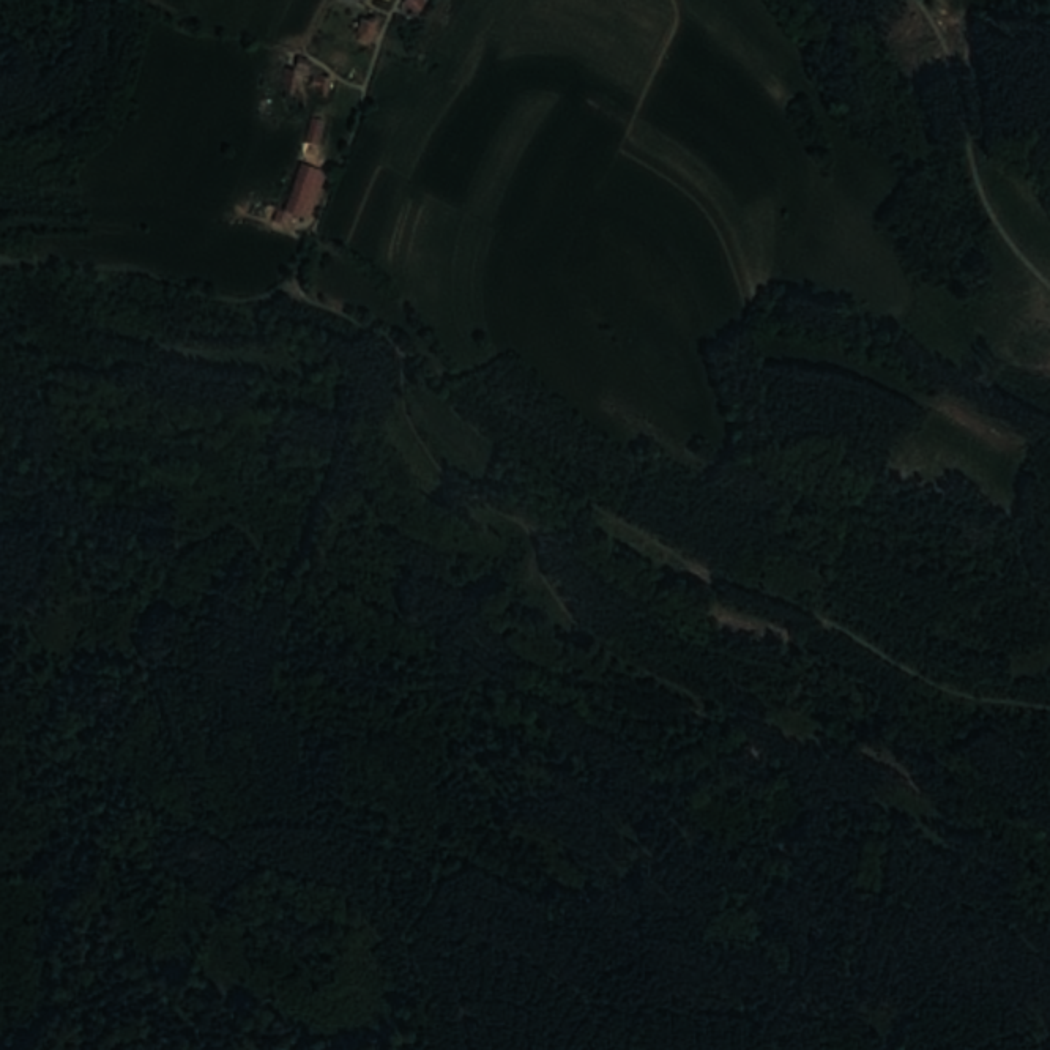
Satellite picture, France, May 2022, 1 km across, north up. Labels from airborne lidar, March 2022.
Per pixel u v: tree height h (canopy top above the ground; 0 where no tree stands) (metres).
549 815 28
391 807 13
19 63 22
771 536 12
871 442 18
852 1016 25
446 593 33
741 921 30
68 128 6
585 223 0
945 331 0
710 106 0
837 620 7
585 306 0
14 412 16
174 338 20
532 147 0
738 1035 18
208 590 15
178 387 27
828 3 35
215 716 12
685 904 27
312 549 25
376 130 0
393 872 23
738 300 0
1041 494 21
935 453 0
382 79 0
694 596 33
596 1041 19
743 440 22
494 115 0
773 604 19
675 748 21
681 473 13
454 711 15
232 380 26
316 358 28
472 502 30
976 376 32
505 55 0
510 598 19
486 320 0
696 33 0
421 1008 16
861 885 34
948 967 24
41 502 27
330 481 24
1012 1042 18
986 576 11
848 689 30
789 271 0
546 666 24
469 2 0
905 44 0
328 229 0
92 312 16
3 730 13
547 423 11
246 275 0
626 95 0
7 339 15
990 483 0
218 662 22
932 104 25
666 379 0
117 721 19
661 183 0
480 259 0
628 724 13
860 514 19
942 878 24
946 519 24
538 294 0
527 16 0
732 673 10
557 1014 18
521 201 0
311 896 25
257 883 28
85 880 29
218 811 14
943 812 31
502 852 14
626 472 10
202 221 0
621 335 0
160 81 0
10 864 17
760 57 0
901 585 17
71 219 7
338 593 27
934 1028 16
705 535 17
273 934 27
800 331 19
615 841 27
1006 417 27
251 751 15
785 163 0
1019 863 32
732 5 0
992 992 20
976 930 19
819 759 31
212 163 0
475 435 0
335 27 0
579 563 28
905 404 19
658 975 35
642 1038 20
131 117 10
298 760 15
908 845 28
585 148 0
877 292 0
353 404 31
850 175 0
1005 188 0
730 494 16
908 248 16
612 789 25
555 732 21
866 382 15
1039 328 0
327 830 18
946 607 11
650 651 10
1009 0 10
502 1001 16
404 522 32
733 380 25
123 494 22
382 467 30
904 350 23
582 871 25
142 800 12
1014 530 18
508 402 7
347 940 28
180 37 0
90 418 20
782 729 0
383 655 16
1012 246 0
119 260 0
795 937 33
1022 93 28
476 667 26
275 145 0
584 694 22
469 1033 19
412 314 18
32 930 7
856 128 6
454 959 17
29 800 21
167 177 0
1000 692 7
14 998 15
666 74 0
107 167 0
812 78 13
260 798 16
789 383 17
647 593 30
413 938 14
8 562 35
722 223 0
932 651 14
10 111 18
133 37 10
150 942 7
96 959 29
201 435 29
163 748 10
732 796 13
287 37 0
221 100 0
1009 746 27
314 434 28
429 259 0
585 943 28
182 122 0
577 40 0
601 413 0
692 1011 22
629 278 0
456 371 17
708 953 29
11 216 14
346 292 0
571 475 8
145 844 21
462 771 12
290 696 8
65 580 28
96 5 15
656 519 17
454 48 0
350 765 15
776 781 22
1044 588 15
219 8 0
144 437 13
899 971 29
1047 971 22
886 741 25
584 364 0
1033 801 23
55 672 11
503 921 25
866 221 0
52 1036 27
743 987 31
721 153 0
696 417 0
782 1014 35
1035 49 27
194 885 25
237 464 21
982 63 24
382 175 0
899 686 13
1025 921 29
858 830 26
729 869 18
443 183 0
